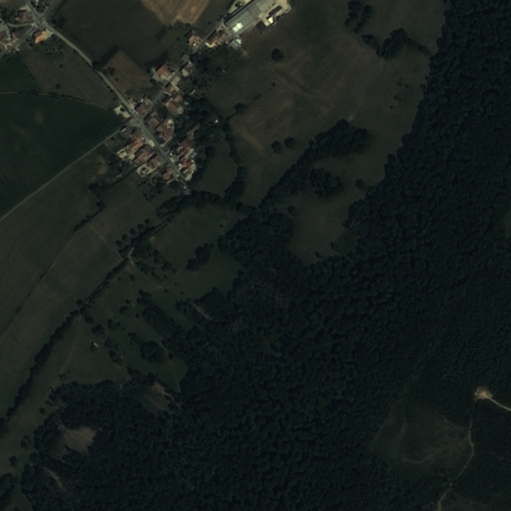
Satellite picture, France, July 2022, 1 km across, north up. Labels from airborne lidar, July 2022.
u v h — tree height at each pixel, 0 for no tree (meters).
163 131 0
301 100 0
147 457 21
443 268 22
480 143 28
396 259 31
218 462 32
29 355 0
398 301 28
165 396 0
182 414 6
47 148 0
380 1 0
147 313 8
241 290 23
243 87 0
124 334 0
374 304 31
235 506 33
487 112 29
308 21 0
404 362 27
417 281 32
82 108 0
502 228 17
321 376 28
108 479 17
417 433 0
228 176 0
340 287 31
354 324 34
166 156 0
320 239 0
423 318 25
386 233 34
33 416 0
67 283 0
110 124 0
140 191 0
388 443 0
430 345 21
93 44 0
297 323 33
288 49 0
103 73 10
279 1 0
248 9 0
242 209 20
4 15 10
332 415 31
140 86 0
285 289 28
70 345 0
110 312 0
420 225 28
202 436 24
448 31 23
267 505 22
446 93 7
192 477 24
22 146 0
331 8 0
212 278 0
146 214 0
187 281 0
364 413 24
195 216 0
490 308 20
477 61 31
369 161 0
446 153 28
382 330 33
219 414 28
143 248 14
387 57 20
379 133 0
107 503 14
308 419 27
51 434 26
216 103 0
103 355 0
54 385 0
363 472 29
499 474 6
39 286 0
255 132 0
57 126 0
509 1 32
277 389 33
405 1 0
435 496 9
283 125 0
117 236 0
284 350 27
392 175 27
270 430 32
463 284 25
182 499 25
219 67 8
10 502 12
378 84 0
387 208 33
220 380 35
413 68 0
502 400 8
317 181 23
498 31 31
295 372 28
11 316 0
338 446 30
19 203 0
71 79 0
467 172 28
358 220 29
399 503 21
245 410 33
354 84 0
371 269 35
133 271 0
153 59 0
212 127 7
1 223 0
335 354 27
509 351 17
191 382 28
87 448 0
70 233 0
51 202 0
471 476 6
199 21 0
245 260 12
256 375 27
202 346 31
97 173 0
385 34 0
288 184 17
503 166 23
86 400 24
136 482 26
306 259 0
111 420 16
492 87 30
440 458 0
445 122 33
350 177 0
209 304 15
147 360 13
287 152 0
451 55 29
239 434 27
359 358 29
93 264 0
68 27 0
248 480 34
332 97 0
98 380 0
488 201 27
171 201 11
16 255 0
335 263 28
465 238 25
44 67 0
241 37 0
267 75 0
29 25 0
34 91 7
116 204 0
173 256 0
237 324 30
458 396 8
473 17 30
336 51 0
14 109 0
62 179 0
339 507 26
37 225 0
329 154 21
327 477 29
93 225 0
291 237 15
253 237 18
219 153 0
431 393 7
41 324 0
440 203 31
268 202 15
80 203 0
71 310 0
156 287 0
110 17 0
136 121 0
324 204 0
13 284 0
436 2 0
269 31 0
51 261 0
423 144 30
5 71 0
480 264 18
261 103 0
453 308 21
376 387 20
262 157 0
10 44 0
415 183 33
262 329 29
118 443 30
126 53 0
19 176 0
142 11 0
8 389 0
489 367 19
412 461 0
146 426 22
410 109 0
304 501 27
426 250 29
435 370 7
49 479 30
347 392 21
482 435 6
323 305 28
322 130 0
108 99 0
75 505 25
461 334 19
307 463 31
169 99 0
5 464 0
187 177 0
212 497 33
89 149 0
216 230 0
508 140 24
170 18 0
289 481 33
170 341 12
